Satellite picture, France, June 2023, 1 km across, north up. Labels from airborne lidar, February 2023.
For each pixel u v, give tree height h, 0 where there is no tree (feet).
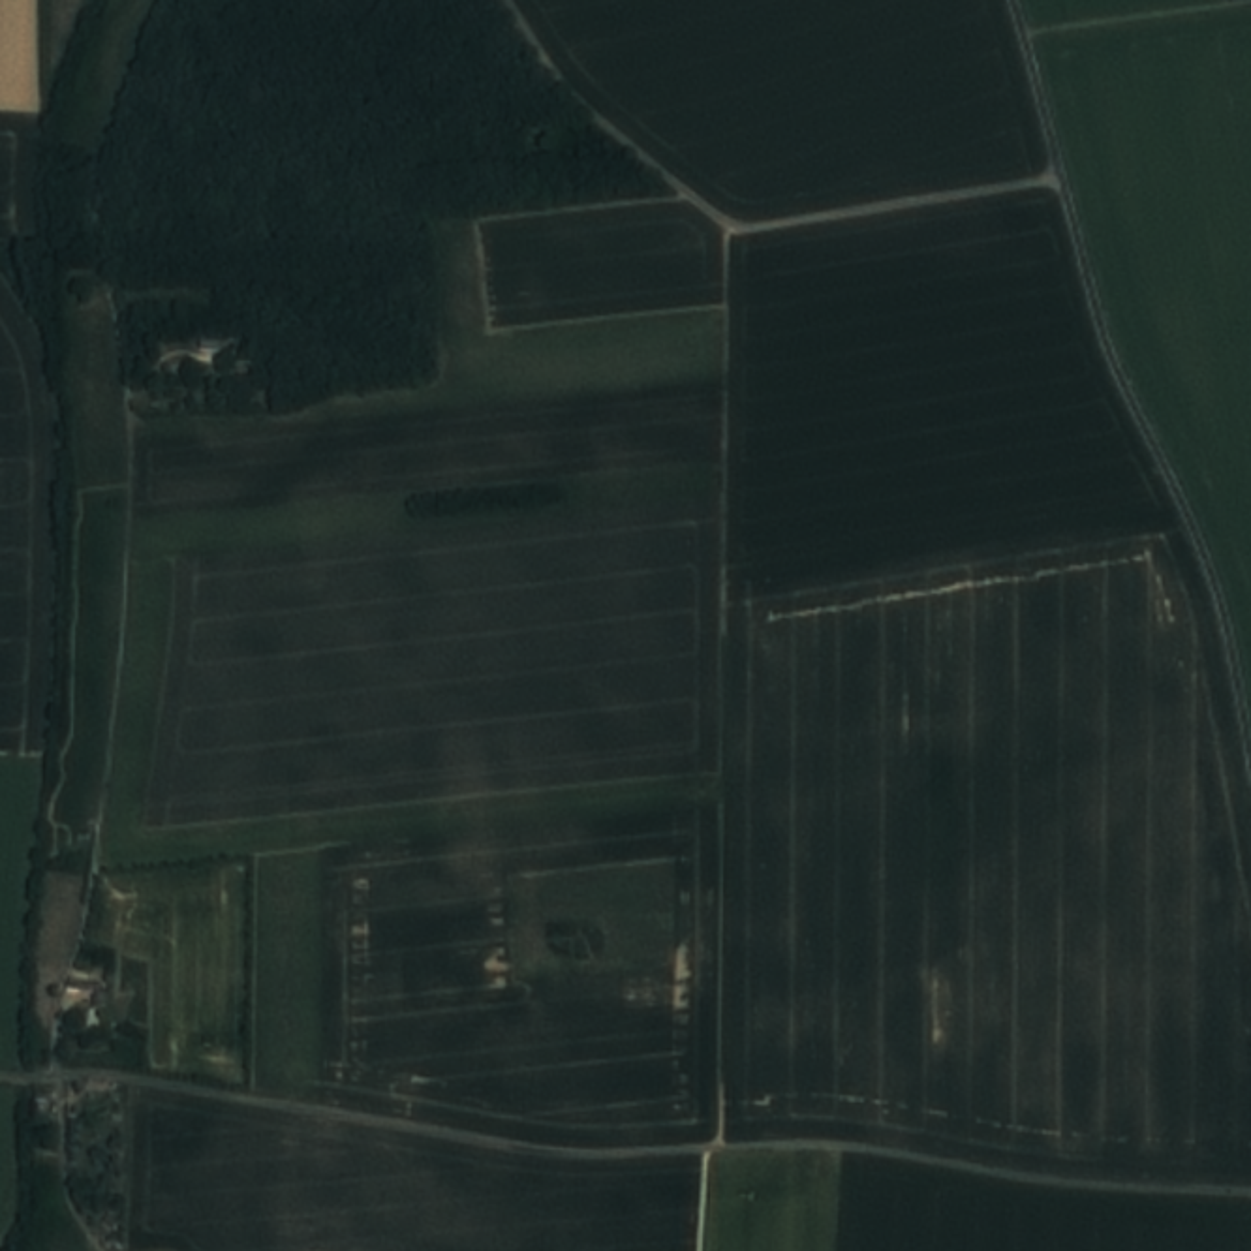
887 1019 0
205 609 0
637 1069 0
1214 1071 0
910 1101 0
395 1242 0
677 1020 0
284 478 0
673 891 0
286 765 0
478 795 0
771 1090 0
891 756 0
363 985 0
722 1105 0
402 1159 0
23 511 0
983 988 0
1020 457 0
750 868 0
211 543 0
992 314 0
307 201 71
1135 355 0
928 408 0
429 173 62
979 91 0
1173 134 0
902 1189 0
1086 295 0
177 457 0
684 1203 0
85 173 40
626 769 0
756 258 0
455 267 0
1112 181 0
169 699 0
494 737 0
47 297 86
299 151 71
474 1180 0
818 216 0
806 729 0
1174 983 0
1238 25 0
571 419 0
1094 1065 0
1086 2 0
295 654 0
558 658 0
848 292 0
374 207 75
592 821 0
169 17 41
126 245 59
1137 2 0
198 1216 0
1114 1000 0
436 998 0
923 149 0
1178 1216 0
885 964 0
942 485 0
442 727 0
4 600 0
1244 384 0
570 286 0
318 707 0
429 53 77
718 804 0
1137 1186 0
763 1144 0
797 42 0
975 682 0
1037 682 0
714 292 0
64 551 33
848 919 0
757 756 0
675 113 0
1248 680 0
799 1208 0
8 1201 0
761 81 0
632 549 0
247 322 56
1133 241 0
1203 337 0
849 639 0
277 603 0
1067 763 0
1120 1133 0
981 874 0
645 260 0
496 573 0
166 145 72
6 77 0
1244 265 0
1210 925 0
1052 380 0
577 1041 0
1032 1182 0
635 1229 0
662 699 0
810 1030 0
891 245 0
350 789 0
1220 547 0
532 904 0
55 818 0
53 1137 52
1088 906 0
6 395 0
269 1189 0
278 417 50
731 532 0
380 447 0
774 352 0
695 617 0
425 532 0
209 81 58
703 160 0
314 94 78
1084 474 0
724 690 0
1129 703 0
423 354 63
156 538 0
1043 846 0
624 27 0
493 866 0
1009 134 0
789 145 0
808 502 0
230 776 0
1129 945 0
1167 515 0
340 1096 0
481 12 74
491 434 0
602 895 0
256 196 74
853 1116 0
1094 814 0
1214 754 0
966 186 0
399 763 0
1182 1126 0
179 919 0
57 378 37
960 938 0
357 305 68
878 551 0
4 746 0
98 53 0
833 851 0
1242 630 0
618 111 0
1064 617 0
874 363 0
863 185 0
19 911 0
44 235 31
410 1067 0
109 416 0
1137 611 0
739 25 0
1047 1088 0
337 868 0
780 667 0
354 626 0
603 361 0
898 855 0
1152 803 0
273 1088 0
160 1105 0
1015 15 0
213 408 33
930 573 0
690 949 0
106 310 0
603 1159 0
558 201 52
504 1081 0
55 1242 0
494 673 0
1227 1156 0
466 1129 0
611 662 0
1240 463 0
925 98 0
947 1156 0
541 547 0
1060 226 0
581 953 0
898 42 0
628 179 42
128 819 0
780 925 0
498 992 0
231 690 0
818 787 0
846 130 0
